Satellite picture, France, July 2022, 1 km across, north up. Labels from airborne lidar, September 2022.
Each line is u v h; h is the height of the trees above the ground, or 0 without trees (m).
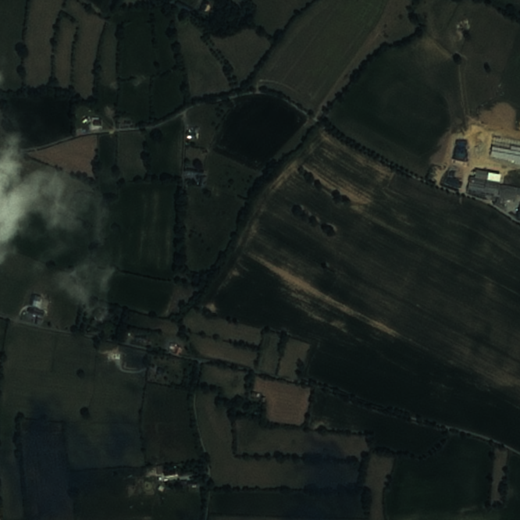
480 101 0
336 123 0
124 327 15
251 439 0
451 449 0
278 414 0
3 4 0
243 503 0
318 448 0
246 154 0
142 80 0
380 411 8
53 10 0
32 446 0
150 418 0
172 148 0
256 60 0
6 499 0
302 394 0
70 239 0
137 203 0
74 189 0
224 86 0
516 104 0
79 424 0
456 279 0
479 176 0
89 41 0
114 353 0
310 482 0
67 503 0
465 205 0
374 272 0
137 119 0
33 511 0
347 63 0
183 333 17
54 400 0
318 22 0
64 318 0
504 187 0
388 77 0
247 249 0
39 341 0
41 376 0
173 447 0
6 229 12
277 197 0
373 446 16
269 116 0
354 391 0
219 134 0
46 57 0
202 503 9
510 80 0
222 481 0
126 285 0
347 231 0
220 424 0
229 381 0
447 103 0
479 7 0
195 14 15
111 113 0
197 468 12
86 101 7
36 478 0
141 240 0
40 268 0
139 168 0
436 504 0
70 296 0
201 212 0
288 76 0
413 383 0
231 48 0
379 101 0
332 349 0
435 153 0
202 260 0
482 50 0
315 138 0
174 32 22
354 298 0
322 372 0
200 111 0
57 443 0
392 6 0
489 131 0
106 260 0
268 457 12
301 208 11
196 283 11
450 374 0
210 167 0
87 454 0
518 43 0
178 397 0
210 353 0
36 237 0
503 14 14
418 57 0
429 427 11
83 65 0
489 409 0
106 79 0
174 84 0
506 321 0
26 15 7
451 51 0
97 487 0
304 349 0
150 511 0
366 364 0
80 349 0
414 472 0
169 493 0
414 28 0
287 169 0
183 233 18
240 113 0
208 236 0
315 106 0
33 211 0
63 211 0
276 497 0
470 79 0
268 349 0
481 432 0
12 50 0
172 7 14
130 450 0
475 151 0
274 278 0
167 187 0
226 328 0
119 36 17
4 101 16
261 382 0
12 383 0
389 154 0
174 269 17
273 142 0
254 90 12
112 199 21
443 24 0
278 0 0
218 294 0
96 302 16
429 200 0
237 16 16
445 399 0
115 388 0
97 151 10
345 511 0
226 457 0
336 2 0
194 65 0
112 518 0
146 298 0
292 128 0
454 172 0
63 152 0
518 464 0
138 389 0
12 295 0
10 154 0
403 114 0
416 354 0
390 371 0
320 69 0
